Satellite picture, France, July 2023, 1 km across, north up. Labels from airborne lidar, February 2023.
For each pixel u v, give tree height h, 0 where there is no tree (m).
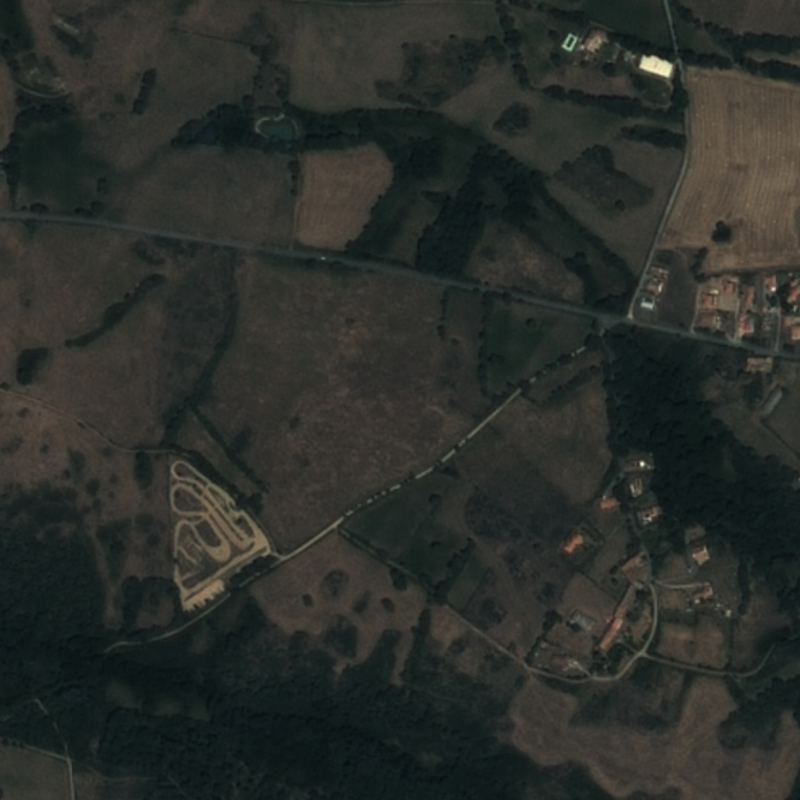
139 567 0
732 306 0
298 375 0
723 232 11
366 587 0
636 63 0
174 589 8
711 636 0
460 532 0
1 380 0
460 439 0
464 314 0
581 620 0
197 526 0
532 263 0
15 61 11
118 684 0
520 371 0
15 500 0
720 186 0
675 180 0
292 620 0
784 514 10
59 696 14
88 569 7
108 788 0
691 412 16
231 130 20
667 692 0
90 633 8
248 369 0
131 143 0
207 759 16
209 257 0
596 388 0
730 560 0
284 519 0
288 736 12
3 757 0
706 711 0
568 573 0
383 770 19
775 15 0
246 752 17
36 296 0
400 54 0
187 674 7
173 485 0
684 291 0
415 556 0
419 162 15
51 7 0
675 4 13
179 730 6
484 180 0
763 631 0
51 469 0
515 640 0
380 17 0
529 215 10
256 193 0
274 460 0
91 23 0
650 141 10
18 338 0
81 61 0
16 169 18
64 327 0
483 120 0
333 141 16
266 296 0
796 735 0
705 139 0
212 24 0
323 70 0
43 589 10
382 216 10
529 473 0
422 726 16
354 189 0
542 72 0
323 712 16
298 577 0
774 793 0
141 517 0
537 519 0
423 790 14
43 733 12
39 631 9
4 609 11
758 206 0
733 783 0
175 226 0
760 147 0
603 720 0
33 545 7
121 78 0
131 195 0
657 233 0
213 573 0
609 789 0
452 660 0
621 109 20
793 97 0
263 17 0
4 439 0
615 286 0
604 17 0
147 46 0
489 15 0
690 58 19
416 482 10
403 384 0
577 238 0
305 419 0
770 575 14
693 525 11
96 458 0
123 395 0
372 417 0
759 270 0
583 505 0
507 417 0
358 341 0
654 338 0
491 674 0
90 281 0
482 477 0
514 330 0
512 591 0
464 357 0
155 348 0
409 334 0
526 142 0
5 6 0
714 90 0
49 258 0
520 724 0
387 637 0
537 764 0
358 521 0
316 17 0
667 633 0
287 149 14
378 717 19
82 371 0
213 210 0
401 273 0
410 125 0
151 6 0
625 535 0
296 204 0
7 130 0
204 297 0
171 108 0
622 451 15
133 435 0
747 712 11
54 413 0
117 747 13
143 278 0
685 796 0
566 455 0
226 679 11
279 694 17
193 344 0
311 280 0
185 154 0
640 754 0
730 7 0
